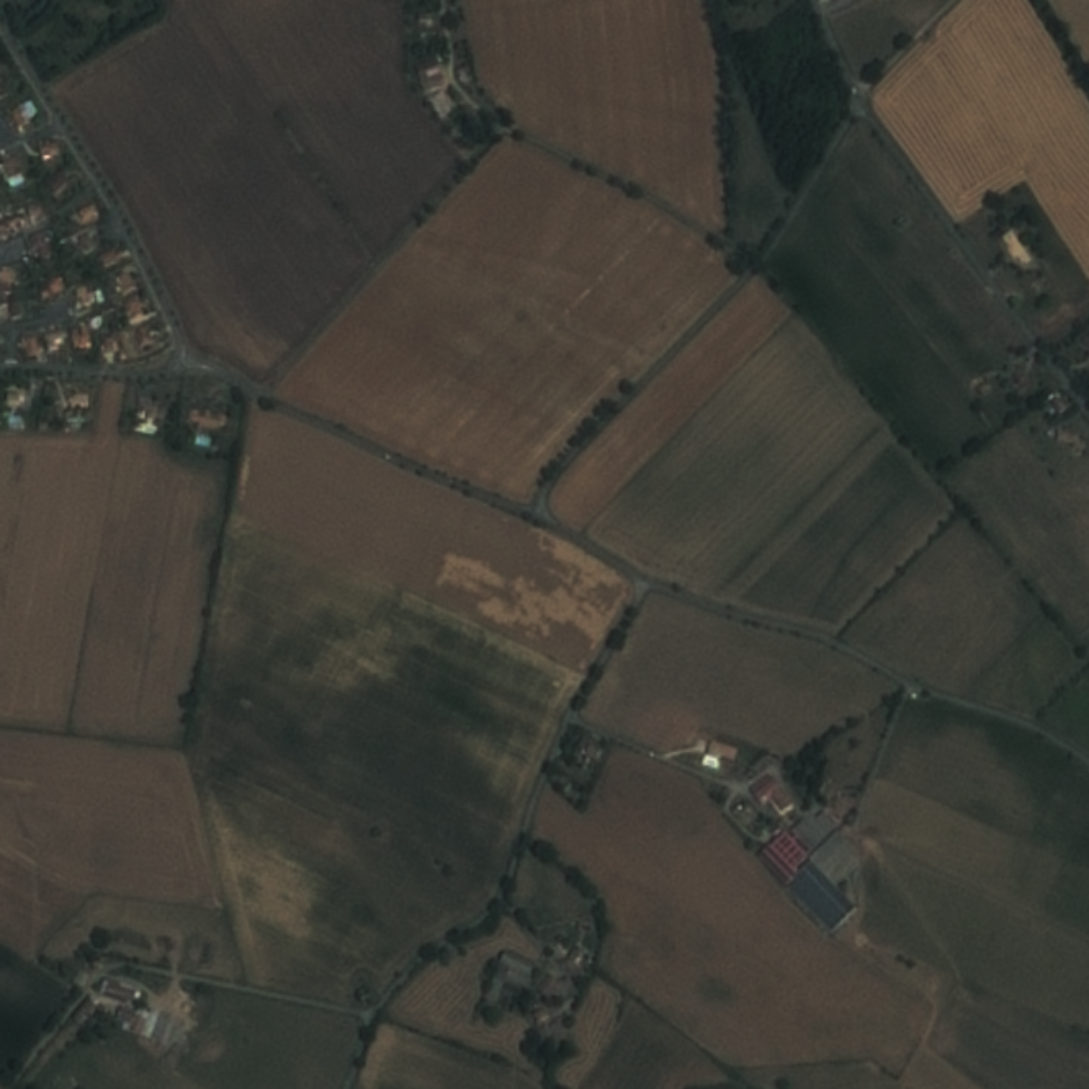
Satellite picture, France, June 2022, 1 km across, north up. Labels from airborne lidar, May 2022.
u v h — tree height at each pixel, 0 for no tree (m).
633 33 0
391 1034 0
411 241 0
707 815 0
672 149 0
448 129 6
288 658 0
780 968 0
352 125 0
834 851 0
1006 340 0
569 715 0
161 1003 0
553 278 0
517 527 0
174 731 0
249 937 0
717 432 0
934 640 0
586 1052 0
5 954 0
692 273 0
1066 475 0
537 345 0
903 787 0
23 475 0
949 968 0
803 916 0
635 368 0
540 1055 8
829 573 0
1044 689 0
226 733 0
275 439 0
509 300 0
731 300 0
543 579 0
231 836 0
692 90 0
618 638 16
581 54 0
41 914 0
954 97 0
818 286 0
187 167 0
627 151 0
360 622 0
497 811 0
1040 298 7
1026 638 0
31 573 0
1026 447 0
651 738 0
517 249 0
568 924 0
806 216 0
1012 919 0
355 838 0
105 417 0
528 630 0
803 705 0
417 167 0
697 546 0
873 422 0
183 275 0
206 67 0
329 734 0
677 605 0
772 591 0
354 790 0
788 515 0
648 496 0
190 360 0
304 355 0
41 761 0
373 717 0
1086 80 25
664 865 0
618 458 0
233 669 0
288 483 0
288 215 0
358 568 0
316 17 0
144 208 0
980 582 0
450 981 0
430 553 0
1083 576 0
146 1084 0
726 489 0
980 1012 0
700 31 0
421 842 0
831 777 0
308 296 0
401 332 0
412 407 0
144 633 0
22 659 0
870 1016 0
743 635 0
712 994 0
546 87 0
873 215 0
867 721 0
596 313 0
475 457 0
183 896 0
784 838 0
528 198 0
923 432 0
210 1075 0
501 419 0
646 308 0
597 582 0
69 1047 6
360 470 0
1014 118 0
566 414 0
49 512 0
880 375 0
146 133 0
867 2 0
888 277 0
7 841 0
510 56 0
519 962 0
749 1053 0
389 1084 0
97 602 0
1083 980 0
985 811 0
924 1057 0
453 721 0
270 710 0
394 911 0
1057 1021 0
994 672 0
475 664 0
